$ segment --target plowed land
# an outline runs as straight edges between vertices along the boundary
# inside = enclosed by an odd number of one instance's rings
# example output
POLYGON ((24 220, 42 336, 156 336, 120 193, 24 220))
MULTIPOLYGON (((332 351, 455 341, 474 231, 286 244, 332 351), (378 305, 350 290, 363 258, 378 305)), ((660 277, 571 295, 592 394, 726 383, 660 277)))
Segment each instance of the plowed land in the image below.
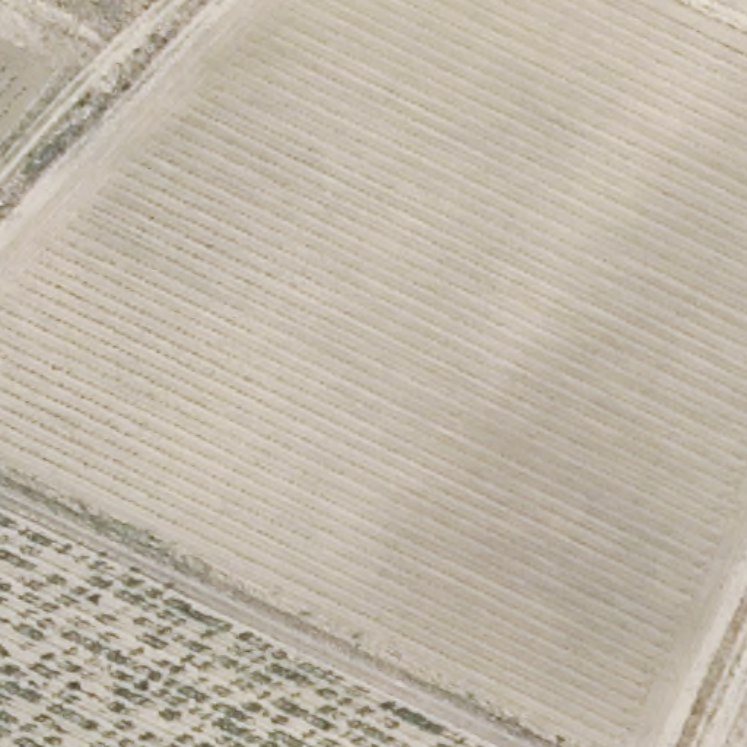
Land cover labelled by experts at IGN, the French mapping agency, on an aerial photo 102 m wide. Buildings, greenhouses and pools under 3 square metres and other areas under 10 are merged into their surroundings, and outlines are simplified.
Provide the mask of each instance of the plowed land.
POLYGON ((73 12, 64 12, 44 0, 0 0, 0 38, 6 38, 12 47, 20 47, 12 55, 12 70, 29 88, 29 96, 18 114, 18 128, 0 143, 0 473, 18 467, 20 473, 38 476, 38 490, 50 496, 82 496, 93 514, 152 528, 158 537, 166 540, 166 546, 175 554, 201 554, 216 578, 233 581, 245 587, 251 595, 289 613, 309 610, 312 624, 347 642, 353 642, 353 630, 362 630, 362 648, 382 657, 385 662, 403 665, 417 677, 435 680, 452 692, 476 694, 481 706, 490 706, 508 718, 519 718, 528 729, 546 738, 563 735, 569 747, 674 747, 694 700, 706 709, 700 715, 697 735, 689 747, 747 747, 747 26, 712 18, 689 0, 236 0, 233 9, 210 26, 193 18, 187 26, 181 26, 181 32, 172 41, 160 35, 152 32, 140 47, 131 50, 131 58, 117 64, 117 85, 111 90, 93 90, 88 85, 85 67, 120 32, 102 18, 79 20, 73 12))

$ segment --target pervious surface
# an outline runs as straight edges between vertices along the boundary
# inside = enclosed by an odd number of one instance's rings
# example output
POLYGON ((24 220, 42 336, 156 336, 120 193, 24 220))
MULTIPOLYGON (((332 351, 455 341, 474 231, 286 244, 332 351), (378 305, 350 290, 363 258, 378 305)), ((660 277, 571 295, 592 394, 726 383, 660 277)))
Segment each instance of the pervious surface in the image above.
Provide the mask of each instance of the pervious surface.
POLYGON ((93 90, 111 90, 117 85, 117 64, 131 58, 131 50, 140 47, 152 32, 160 35, 184 0, 155 0, 149 12, 143 12, 120 32, 85 67, 88 85, 93 90))

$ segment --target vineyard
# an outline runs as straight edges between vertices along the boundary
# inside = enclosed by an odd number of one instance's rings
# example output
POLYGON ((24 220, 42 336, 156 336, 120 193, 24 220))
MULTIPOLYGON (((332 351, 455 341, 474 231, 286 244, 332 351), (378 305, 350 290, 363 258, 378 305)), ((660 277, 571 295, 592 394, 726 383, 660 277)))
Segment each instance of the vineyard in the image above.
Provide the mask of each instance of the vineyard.
POLYGON ((181 26, 187 26, 193 18, 210 26, 233 9, 236 0, 184 0, 160 35, 172 41, 181 32, 181 26))
POLYGON ((312 624, 309 610, 289 613, 251 595, 245 587, 233 581, 216 578, 201 554, 175 554, 166 546, 166 540, 158 537, 152 528, 93 514, 82 496, 50 496, 38 490, 38 476, 20 473, 18 467, 0 473, 0 747, 569 747, 563 735, 546 738, 528 729, 519 718, 508 718, 490 706, 481 706, 476 694, 452 692, 435 680, 417 677, 403 665, 385 662, 382 657, 362 648, 362 630, 353 630, 353 642, 347 642, 312 624))
POLYGON ((44 0, 64 12, 73 12, 79 20, 102 18, 120 32, 143 12, 149 12, 155 0, 44 0))
POLYGON ((747 0, 689 0, 712 18, 747 26, 747 0))
POLYGON ((706 709, 694 700, 674 747, 689 747, 697 735, 700 715, 706 709))
POLYGON ((0 143, 18 128, 18 114, 29 96, 29 88, 12 70, 12 55, 20 47, 12 47, 6 38, 0 38, 0 143))

